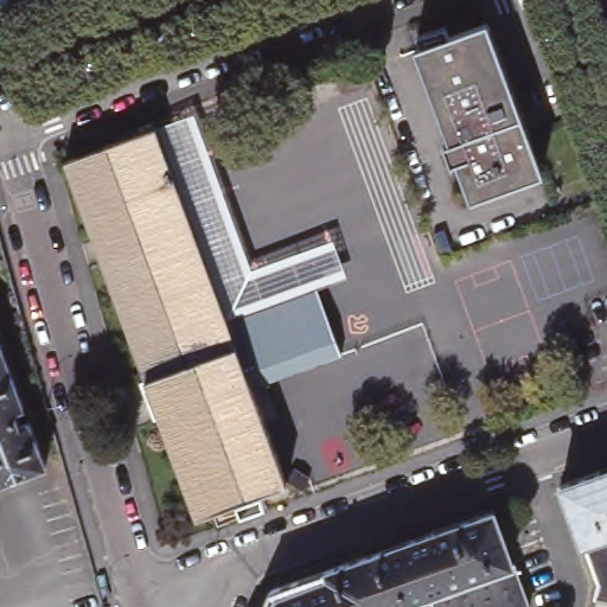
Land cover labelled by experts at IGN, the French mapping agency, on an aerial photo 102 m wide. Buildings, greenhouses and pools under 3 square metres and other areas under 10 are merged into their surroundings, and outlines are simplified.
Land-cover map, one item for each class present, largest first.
<instances>
[{"label":"impervious surface","instance_id":"1","mask_svg":"<svg viewBox=\"0 0 607 607\"><path fill-rule=\"evenodd\" d=\"M31 2H45L52 7L55 0H0V14H17L21 7ZM524 12V0H377L318 21L299 24L282 36H270L232 55L213 57L190 69L164 74L156 81L133 83L123 88L119 95L102 100L100 104L83 107L74 114L55 116L40 126H28L14 114V107L2 97L5 88L0 76V280L7 285L9 292V306L14 308V322L19 327L21 346L31 368V384H45V394L55 413L57 432L52 434L47 458L43 472H33L31 477H26L28 484L0 496V607H266V598L273 590H285L294 583L313 581L325 569H332L337 564L356 562L360 557L396 548L413 538H422L427 533L448 529L453 524L481 515L498 517L515 567L519 569L524 590L526 595H533L536 607H593V586L588 583L564 510L557 500V491L607 474V244L600 232L598 211L590 204L588 190L571 194L569 199H560L557 204H545L543 185L538 190L529 185L515 192H505L481 204H467L460 194V185L453 180V171L446 168V159L436 145L439 128L432 119V97L420 78L417 52L443 45L462 33L486 28L496 45L500 66L512 90L517 111L522 116V126L526 130L529 145L538 164L548 159L550 130L557 123L552 104L557 102V92L552 85L545 88L541 81L536 57L531 52L524 24L519 19ZM344 40H360L372 50H386V74H379L375 83L315 85L313 116L273 152V159L266 166L228 171L256 247H266L270 242L285 239L289 235L304 232L327 221H339L349 247L339 254L346 277L344 282L320 289V299L339 346V360L285 377L280 382H266V377L258 370L247 322L242 315H235L228 322V341L194 349L190 353L164 360L149 370L135 368L126 344L123 349L114 346L111 334L104 330V318L92 287V270L100 268L95 254L85 247L88 232L81 221V211L64 166L76 159L97 154L102 149L116 147L121 142L152 135L156 128L168 126L178 119L194 116L199 123L202 119L213 116L216 97L228 88H237L239 76L254 66L287 64L292 69V76L301 78L311 69L325 66ZM394 152L410 159L413 173L422 171V164H429V187L422 192L427 202L420 211L432 213L434 228L439 223H448L451 235L462 244H472L491 230L498 232L512 225L522 228L555 216H569V223L557 225L545 235L493 242L484 251L455 258L451 268L441 263V256L434 235L417 230L420 216L405 204V185L398 180V175H394L391 166ZM538 344H543L548 353H571L576 379L590 382L586 403L569 410L541 413L515 429L486 432L481 422V417L486 415L481 401L488 398L486 382L505 379L519 384L524 375H536L538 360L531 353ZM223 356H237L244 382L261 417L263 432L268 436L270 451L275 455L277 469L289 491L280 500H266L268 522L261 519L249 526H242L235 519L213 522V531L194 533L190 538V548H183V543L161 545L156 541V507L152 491L166 496L168 484L175 479L156 424L145 420L135 429L128 458L119 465L104 467L95 465L85 453L78 432L74 429L71 413L66 408L69 389L83 391L100 384H114L123 394H130L138 386L159 382L164 377L178 375L183 370L204 365ZM443 356H455L458 363L469 372V398H434L427 394L424 382L434 370L436 360ZM351 415L363 422L386 420L394 424V429H408L420 420L417 441L408 453V460L389 469H375L372 465H363L360 455L353 451V441L346 427V420ZM512 443H517L519 448V465H510L507 469H491L484 477L472 479L458 465L455 453L460 451L469 453L472 458H477L484 451L500 455Z\"/></svg>","mask_w":607,"mask_h":607},{"label":"building","instance_id":"2","mask_svg":"<svg viewBox=\"0 0 607 607\"><path fill-rule=\"evenodd\" d=\"M420 78L432 97V119L439 128L436 145L446 159V168L453 171V180L460 185V194L467 204H481L505 192H515L529 185L538 190L543 185L538 164L529 145L526 130L522 126V116L517 111L512 90L500 66L496 45L486 28L462 33L443 45L417 52ZM81 211V221L88 232L85 247L95 254L100 268L119 325L126 334V344L135 368L149 370L164 360L190 353L194 349L228 341V322L235 315H242L247 322L258 370L266 377V382H280L285 377L339 360V346L320 299V289L344 282L346 277L339 254L349 247L339 221H327L304 232L289 235L285 239L270 242L266 247H256L228 171L221 159L211 164V154L204 145L199 123L194 116L178 119L168 126L156 128L152 135L121 142L116 147L102 149L97 154L76 159L64 166ZM441 256L458 254L462 244L451 235L448 223H439L434 228V235ZM19 417H24V403L14 382V372L9 370V363L0 344V496L28 484L26 477H31L33 472H43L47 458L40 453L33 427L19 424ZM142 401L138 417L145 420L156 424L175 479L192 522H213L235 519L242 526H249L261 519L268 522L266 500H280L289 491L277 469L275 455L270 451L268 436L263 432L261 417L244 382L237 356H223L204 365L183 370L178 375L164 377L159 382L138 386ZM557 500L564 510L588 583L593 586V607H607V474L557 491ZM266 607H536L533 595H526L524 590L519 569L515 567L498 517L481 515L453 524L448 529L427 533L422 538H413L396 548L360 557L356 562L337 564L332 569H325L313 581L294 583L285 590H273L266 598Z\"/></svg>","mask_w":607,"mask_h":607},{"label":"deciduous trees","instance_id":"3","mask_svg":"<svg viewBox=\"0 0 607 607\"><path fill-rule=\"evenodd\" d=\"M377 0H55L52 7L45 2H31L21 7L17 14H0V76L5 88L2 97L14 107V114L28 126H40L55 116L74 114L83 107L100 104L102 100L119 95L123 88L133 83L156 81L164 74L190 69L213 57L232 55L270 36H282L299 24L318 21ZM519 19L524 24L531 52L536 57L541 81L545 88L552 85L557 92V102L552 104L557 123L550 130L548 159L538 164L543 185L545 204H557L560 199H569L571 194L588 190L590 204L598 211L600 232L607 244V0H524V12ZM379 74H386V50H372L360 40H344L325 66L311 69L301 78L292 76V69L287 64L254 66L239 76L237 88H228L216 97L213 116L202 119L199 123L204 145L211 154V164L221 159L228 171L266 166L273 159V152L313 116L315 85L375 83ZM538 360L536 375H524L519 384L505 379L486 382L488 398L481 401L486 415L481 417V422L486 432L515 429L541 413L569 410L586 403L590 382L576 379L571 353H548L543 344H538L531 353ZM427 394L434 398H469V372L458 363L455 356H443L436 360L434 370L424 382ZM142 401L138 386L130 394H123L114 384H100L83 391L69 389L66 408L71 413L74 429L78 432L85 453L95 465L104 467L119 465L128 458L135 429L145 420L138 417ZM346 427L353 441V451L360 455L363 465H372L375 469H389L408 460V453L417 441L420 420L408 429H394V424L386 420L363 422L351 415L346 420ZM519 448L517 443H512L500 455L484 451L477 458H472L469 453L460 451L455 453L458 465L472 479L484 477L491 469H507L510 465H519Z\"/></svg>","mask_w":607,"mask_h":607},{"label":"brushwood","instance_id":"4","mask_svg":"<svg viewBox=\"0 0 607 607\"><path fill-rule=\"evenodd\" d=\"M394 175H398V180L405 185V204L420 216L417 230L434 235V228L432 213L420 211L427 202L422 192L429 187V164H422V171L413 173L410 159L394 152L391 166ZM569 223V216H555L522 228L512 225L498 232L491 230L472 244H462L458 254L441 256V263L451 268L455 258L484 251L493 242L545 235L557 225ZM92 287L104 318V330L111 334L114 346L123 349L126 344V334L119 325L100 268L92 270ZM156 507V541L161 545L183 543V548H190V538L194 533L213 531V522H192L175 479L168 484L166 496L152 491Z\"/></svg>","mask_w":607,"mask_h":607},{"label":"herbaceous vegetation","instance_id":"5","mask_svg":"<svg viewBox=\"0 0 607 607\"><path fill-rule=\"evenodd\" d=\"M0 344L9 363V370L14 372V382L24 403V417H19V424L33 427L40 453L47 458L52 434L57 432L55 413L45 394V384H31V368L21 346L19 327L14 322V308L9 306V292L7 285L0 280Z\"/></svg>","mask_w":607,"mask_h":607}]
</instances>
